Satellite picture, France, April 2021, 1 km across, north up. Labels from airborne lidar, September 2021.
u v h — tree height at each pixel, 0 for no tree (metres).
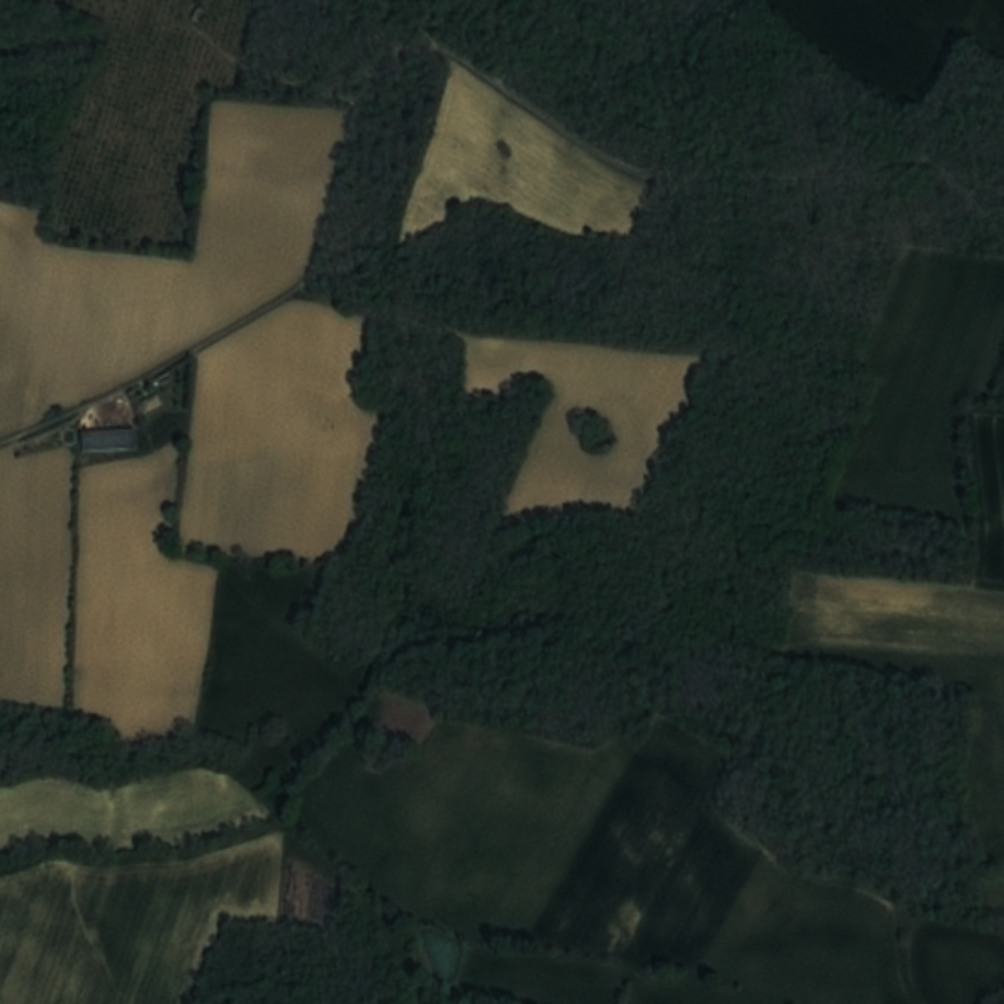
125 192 0
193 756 30
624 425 0
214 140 0
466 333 19
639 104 22
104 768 25
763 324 19
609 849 0
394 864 0
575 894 0
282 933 15
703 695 16
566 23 22
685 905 0
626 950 0
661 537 17
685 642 23
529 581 24
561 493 0
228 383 0
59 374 0
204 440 0
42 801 0
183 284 0
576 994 0
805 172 18
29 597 0
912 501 0
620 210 0
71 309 0
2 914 0
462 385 19
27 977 0
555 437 0
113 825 0
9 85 26
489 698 22
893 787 21
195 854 13
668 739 0
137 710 0
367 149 16
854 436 22
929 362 0
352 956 21
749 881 0
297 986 19
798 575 19
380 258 9
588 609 24
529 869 0
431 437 22
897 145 19
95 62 15
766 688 20
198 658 0
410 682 24
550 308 20
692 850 0
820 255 17
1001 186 20
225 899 0
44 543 0
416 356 18
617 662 20
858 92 18
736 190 17
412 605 22
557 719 20
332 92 18
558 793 0
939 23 0
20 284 0
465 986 0
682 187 19
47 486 0
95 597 0
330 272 15
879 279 13
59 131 16
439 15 17
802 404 22
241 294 0
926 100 19
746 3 19
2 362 0
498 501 19
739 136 18
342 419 0
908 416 0
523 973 0
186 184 17
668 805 0
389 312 23
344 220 17
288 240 0
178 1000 0
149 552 0
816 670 21
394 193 9
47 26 24
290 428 0
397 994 24
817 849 17
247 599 0
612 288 16
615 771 0
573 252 8
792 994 0
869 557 17
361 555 24
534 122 0
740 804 16
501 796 0
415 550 25
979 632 0
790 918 0
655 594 25
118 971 0
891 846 19
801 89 19
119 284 0
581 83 20
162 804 0
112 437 0
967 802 12
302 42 20
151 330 0
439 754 0
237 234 0
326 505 0
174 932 0
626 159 14
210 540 0
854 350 22
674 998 0
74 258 0
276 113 0
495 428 25
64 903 0
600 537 26
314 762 27
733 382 21
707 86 28
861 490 0
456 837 0
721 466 21
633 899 0
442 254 9
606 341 19
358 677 0
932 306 0
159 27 0
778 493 23
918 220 21
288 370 0
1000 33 0
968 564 18
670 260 19
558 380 0
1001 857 0
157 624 0
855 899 0
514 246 12
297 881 0
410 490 18
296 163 0
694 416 22
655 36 22
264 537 0
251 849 0
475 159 0
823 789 20
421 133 13
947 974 0
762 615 24
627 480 0
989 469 0
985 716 0
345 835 0
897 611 0
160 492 0
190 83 0
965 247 16
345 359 0
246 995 21
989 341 0
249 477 0
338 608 19
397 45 18
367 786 0
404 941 24
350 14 11
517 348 0
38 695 0
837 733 26
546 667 27
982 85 22
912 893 19
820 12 0
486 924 0
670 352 19
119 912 0
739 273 20
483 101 0
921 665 0
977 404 7
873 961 0
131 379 0
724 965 0
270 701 0
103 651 0
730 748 12
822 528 22
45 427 0
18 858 19
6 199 18
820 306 23
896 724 23
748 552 30
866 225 16
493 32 17
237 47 0
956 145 19
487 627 10
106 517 0
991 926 20
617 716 21
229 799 0
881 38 0
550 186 0
